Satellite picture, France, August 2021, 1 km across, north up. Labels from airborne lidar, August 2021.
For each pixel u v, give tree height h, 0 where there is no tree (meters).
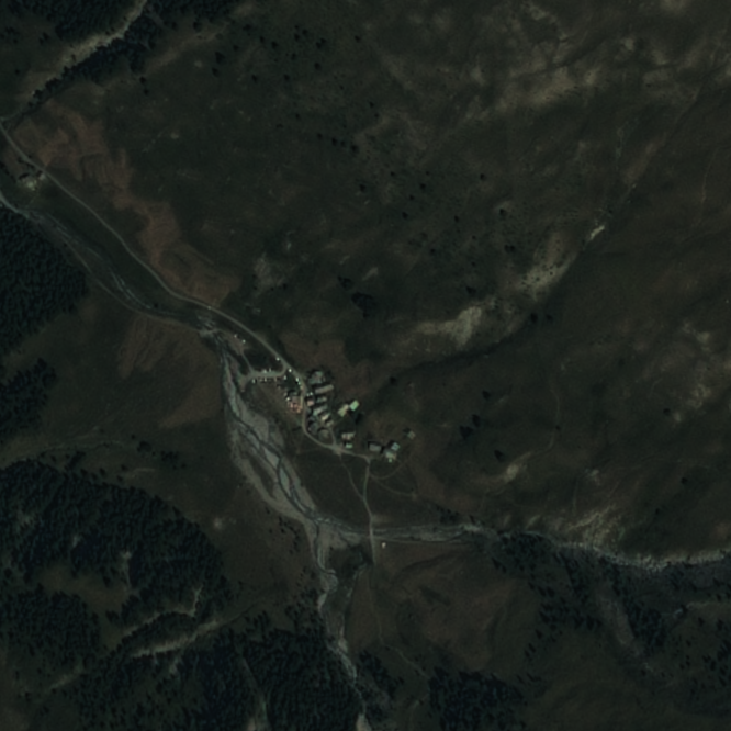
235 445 0
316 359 0
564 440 0
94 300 0
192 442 0
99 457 0
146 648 6
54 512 22
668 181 0
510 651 0
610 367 0
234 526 0
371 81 0
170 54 0
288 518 0
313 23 0
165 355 0
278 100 0
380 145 0
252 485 0
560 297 0
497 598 0
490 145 0
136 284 0
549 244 0
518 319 0
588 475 0
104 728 14
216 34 0
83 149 0
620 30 0
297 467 0
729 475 0
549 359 0
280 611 0
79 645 14
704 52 0
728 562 0
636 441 0
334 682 10
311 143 0
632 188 0
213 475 0
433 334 0
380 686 11
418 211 0
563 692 0
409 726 0
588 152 0
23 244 23
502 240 0
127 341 0
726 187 0
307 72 0
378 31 0
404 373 0
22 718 0
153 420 0
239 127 0
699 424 0
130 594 0
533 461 0
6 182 0
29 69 0
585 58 0
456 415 0
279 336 0
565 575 0
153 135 0
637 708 0
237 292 0
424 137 0
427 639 0
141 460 0
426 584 0
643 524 0
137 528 17
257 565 0
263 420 0
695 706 0
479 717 12
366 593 0
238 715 16
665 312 0
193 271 0
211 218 0
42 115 0
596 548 0
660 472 0
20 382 16
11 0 0
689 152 0
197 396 0
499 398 0
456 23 0
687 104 0
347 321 0
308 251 0
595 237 0
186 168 0
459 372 0
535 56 0
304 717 11
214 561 18
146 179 0
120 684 13
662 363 0
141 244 0
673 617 0
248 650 10
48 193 0
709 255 0
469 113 0
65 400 0
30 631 9
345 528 0
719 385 0
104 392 0
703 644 0
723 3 0
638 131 0
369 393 0
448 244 0
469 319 0
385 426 0
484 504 0
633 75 0
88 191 0
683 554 0
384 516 0
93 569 19
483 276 0
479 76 0
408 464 0
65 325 0
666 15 0
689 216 0
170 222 0
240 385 0
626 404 0
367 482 0
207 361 0
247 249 0
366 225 0
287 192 0
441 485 0
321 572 0
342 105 0
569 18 0
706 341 0
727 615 0
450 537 0
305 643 17
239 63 0
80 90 0
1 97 0
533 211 0
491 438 0
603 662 0
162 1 15
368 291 0
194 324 0
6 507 7
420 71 0
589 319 0
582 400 0
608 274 0
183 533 19
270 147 0
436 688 11
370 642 0
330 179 0
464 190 0
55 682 0
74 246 0
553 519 0
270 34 0
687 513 0
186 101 0
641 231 0
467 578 0
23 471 16
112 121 0
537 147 0
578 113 0
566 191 0
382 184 0
